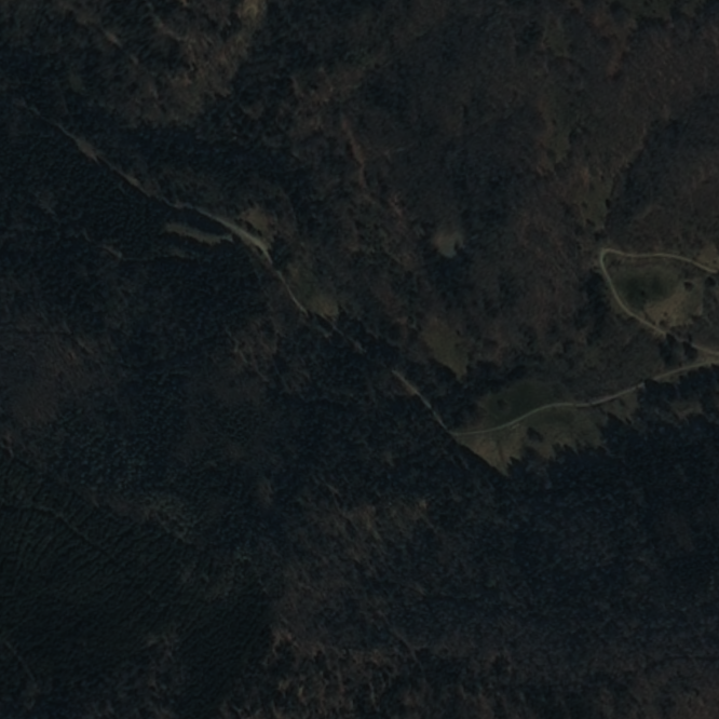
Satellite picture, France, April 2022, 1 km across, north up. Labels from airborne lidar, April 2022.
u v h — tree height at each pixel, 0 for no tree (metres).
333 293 17
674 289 0
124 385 23
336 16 23
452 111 25
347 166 23
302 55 24
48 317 27
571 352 20
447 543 30
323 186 24
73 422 26
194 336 29
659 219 13
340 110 25
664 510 19
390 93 24
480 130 27
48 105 30
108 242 23
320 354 24
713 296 17
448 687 16
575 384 18
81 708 10
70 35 35
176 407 17
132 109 33
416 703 9
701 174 15
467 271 21
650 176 17
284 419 23
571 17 17
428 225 28
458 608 28
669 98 28
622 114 22
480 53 18
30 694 19
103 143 30
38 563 14
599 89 21
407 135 27
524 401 0
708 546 18
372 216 9
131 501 18
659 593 17
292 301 11
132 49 20
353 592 31
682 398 7
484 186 26
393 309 6
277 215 16
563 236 22
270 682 8
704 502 23
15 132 24
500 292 20
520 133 30
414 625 20
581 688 18
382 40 25
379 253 9
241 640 19
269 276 19
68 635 22
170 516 12
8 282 26
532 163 20
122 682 24
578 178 17
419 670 17
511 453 0
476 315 23
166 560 14
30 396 26
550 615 16
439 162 24
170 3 15
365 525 35
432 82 23
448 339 0
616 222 13
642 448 16
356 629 27
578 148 15
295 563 21
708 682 17
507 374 23
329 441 26
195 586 15
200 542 14
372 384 30
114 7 16
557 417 0
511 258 21
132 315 26
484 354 10
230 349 25
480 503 33
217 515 18
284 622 19
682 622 23
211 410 23
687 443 21
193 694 18
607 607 26
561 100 0
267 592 7
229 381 22
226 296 13
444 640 27
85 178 23
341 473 30
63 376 29
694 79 27
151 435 21
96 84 31
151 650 13
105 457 23
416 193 25
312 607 30
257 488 24
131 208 18
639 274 0
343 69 26
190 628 17
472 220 22
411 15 26
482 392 20
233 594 14
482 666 22
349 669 25
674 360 28
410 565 24
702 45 23
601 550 30
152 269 18
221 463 21
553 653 26
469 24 25
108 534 13
